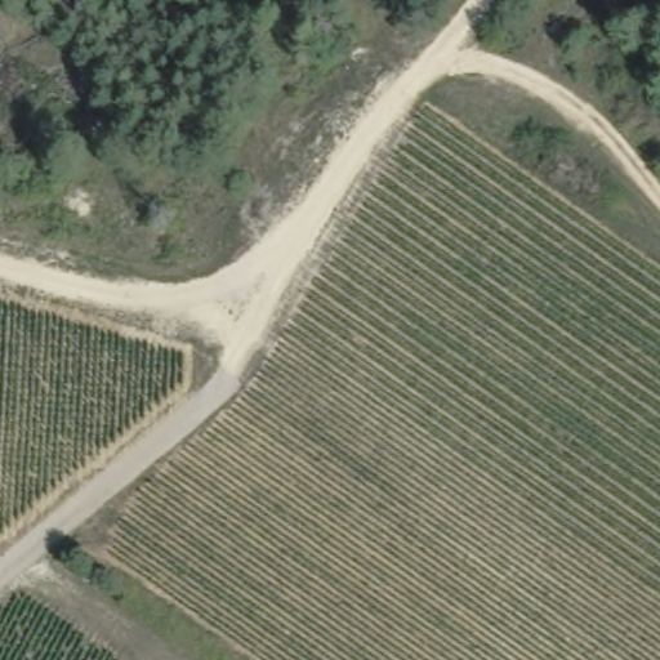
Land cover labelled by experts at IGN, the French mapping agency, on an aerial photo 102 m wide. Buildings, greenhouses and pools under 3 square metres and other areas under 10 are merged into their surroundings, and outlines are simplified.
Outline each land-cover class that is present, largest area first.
<instances>
[{"label":"vineyard","instance_id":"1","mask_svg":"<svg viewBox=\"0 0 660 660\"><path fill-rule=\"evenodd\" d=\"M77 541V547L93 559L116 570L144 585L152 596L178 608L204 632H211L227 650L242 655V660H660V211L593 134L575 129L547 101L531 95L521 85L490 80L480 72L438 77L415 98L413 108L397 124H392L384 147L371 152L369 168L351 180L340 204L320 227L315 248L291 273L286 289L278 296L273 322L260 338V345L248 358L240 376L237 389L219 407H214L191 433H186L170 451L157 456L134 482L119 490L111 500H106L101 510H95L70 534ZM222 348L217 343H206L201 338L199 325L183 322L178 315L168 317L160 312L150 315L101 307L93 302L54 296L0 278V557L10 547H15L31 529H36L44 518L59 510L80 487L103 474L126 449H131L142 436H147L162 418H168L186 400H191L214 376L219 364ZM52 570L46 572V578L28 575L21 583V590H13L8 601L0 603V660H188L183 647L162 642L139 621L124 616L103 596V590L93 585L88 578H72L70 570H64V565L52 559Z\"/></svg>","mask_w":660,"mask_h":660},{"label":"coniferous trees","instance_id":"2","mask_svg":"<svg viewBox=\"0 0 660 660\"><path fill-rule=\"evenodd\" d=\"M263 0H0V10L15 21L28 15L31 31H39L59 54L70 39L77 41L75 64H80L85 75L95 77L98 83L90 106H119L124 116L119 124H113L111 137H106L101 150L93 155L88 152L85 139L77 131H70L49 147L46 157H0V196H23L26 204H49L57 199L67 204L70 196L83 191L77 186V178L93 173L101 165H131L134 157L142 168H170L178 175L209 178L214 170L224 175L229 168H242L240 150L255 139L258 121L278 103L273 88L294 83L309 62L317 64V75H330L338 64L353 57V46L387 52L394 44V26L415 10L418 0H276L278 21L273 23L271 34L281 52L271 59V64L258 70V59L250 49V41L255 28V13ZM477 10H472L469 26L480 49L521 62L552 77L554 83L570 88L578 98L590 103L616 126V131L639 152L650 173L660 180V0H474Z\"/></svg>","mask_w":660,"mask_h":660},{"label":"herbaceous vegetation","instance_id":"3","mask_svg":"<svg viewBox=\"0 0 660 660\"><path fill-rule=\"evenodd\" d=\"M278 21L276 0H263L255 13V28L250 41V49L258 59V70L271 64V59L281 52L271 34L273 23ZM461 0H418L415 10L394 26V44L387 52L353 46V57L338 64L330 75H317V64L309 62L294 83L273 88L278 103L258 121L255 139L240 150L242 168H229L224 175L214 170L209 178L178 175L170 168H142L134 157L131 165H101L93 173L77 178V186L83 191L70 196L67 204L57 199L49 204H26L23 196H0V253L13 258H31L49 268L98 276L108 281L139 278L157 284H183L217 273L219 268L237 260L242 253H248L273 227L278 217H284L286 201L296 199V193L304 196L312 188V183L322 175L327 165L330 152L335 150V139L351 134L361 108L369 103L374 85L384 75L402 72L413 59H418L420 52L438 36V31L454 18ZM77 41L70 39L59 54L39 31H31L28 15L15 21L0 10V157H46L49 147L70 131H77L85 139L88 152L93 155L101 150L106 137H111L113 124H119L124 116L119 106H90L98 83L95 77L85 75L80 64H75ZM46 549L52 559L64 565L72 557V549L77 547V541L70 534L52 531L46 536ZM124 616L139 621L162 642L183 647L188 660H242V655L227 650L211 632H204L178 608L152 596L144 585L116 570L111 590L103 596Z\"/></svg>","mask_w":660,"mask_h":660},{"label":"pervious surface","instance_id":"4","mask_svg":"<svg viewBox=\"0 0 660 660\"><path fill-rule=\"evenodd\" d=\"M472 10H477L474 0H461L454 18L438 31V36L420 52L418 59H413L402 72L384 75L374 85L369 103L361 108L351 134L335 139V150L330 152L327 165L322 175L312 183V188L304 196L296 193V199L286 201L284 217H278L273 227L248 253H242L237 260L219 268L217 273L183 284H157L139 278L108 281L98 276L49 268L31 258H13L0 253V278L54 296L93 302L101 307L150 315L160 312L168 317L178 315L183 322L199 325L201 338L206 343H217L222 348L219 364L240 376L248 358L260 345V338L273 322L278 296L286 289L291 273L315 248L320 227L340 204L351 180L369 168L371 152L384 147L392 124H397L413 108L415 98L438 77L480 72L490 80L521 85L531 95L547 101L575 129L593 134L660 211V180L650 173L639 152L616 131V126L590 103L578 98L570 88L554 83L552 77L521 62L480 49L469 26Z\"/></svg>","mask_w":660,"mask_h":660},{"label":"impervious surface","instance_id":"5","mask_svg":"<svg viewBox=\"0 0 660 660\"><path fill-rule=\"evenodd\" d=\"M240 376L219 364L214 376L191 400H186L168 418H162L147 436H142L131 449H126L103 474L80 487L59 510L44 518L36 529H31L15 547H10L0 557V603L8 601L13 590H21V583L28 575L46 578V572L52 570V559L46 549V536L52 531L70 534L95 510H101L106 500H111L119 490L134 482L157 456L170 451L186 433H191L214 407H219L237 389Z\"/></svg>","mask_w":660,"mask_h":660},{"label":"deciduous trees","instance_id":"6","mask_svg":"<svg viewBox=\"0 0 660 660\"><path fill-rule=\"evenodd\" d=\"M64 570H70L72 578H88L93 585L103 590V596L111 590L116 570L93 559L77 547L72 549V557L64 565Z\"/></svg>","mask_w":660,"mask_h":660}]
</instances>
